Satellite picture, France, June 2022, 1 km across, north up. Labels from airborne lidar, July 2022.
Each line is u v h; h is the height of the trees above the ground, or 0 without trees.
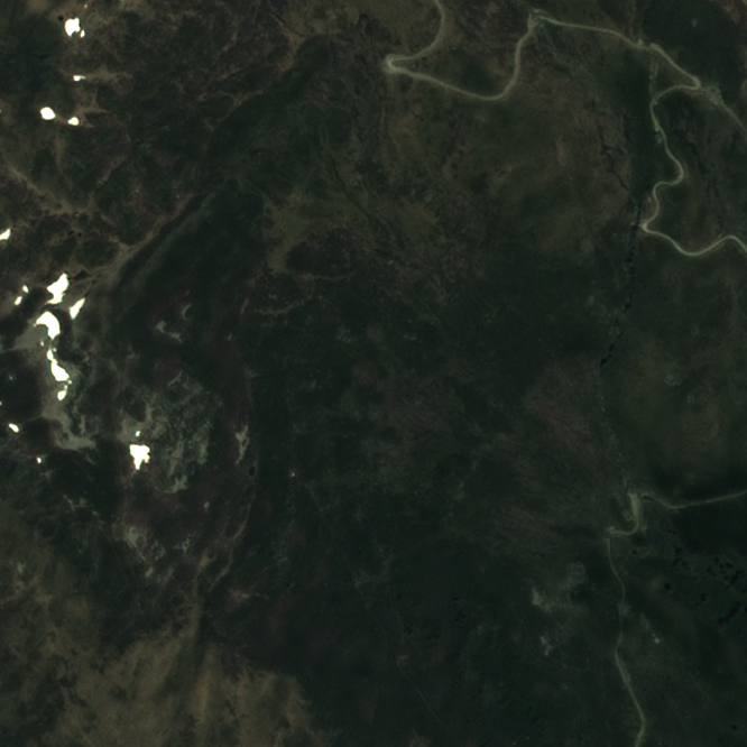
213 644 0
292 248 0
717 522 0
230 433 0
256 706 0
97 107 0
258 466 0
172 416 0
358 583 0
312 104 0
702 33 0
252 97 0
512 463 0
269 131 0
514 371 0
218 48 0
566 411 0
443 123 0
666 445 0
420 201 0
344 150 0
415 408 0
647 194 0
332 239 0
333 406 0
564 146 0
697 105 0
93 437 0
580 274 0
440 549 0
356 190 0
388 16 0
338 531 0
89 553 0
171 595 0
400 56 0
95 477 0
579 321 0
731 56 0
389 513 0
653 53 0
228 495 0
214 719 0
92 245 0
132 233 0
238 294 0
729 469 0
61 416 0
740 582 19
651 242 0
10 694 0
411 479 0
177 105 0
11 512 0
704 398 0
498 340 0
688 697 0
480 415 0
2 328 0
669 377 0
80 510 0
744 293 0
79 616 0
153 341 0
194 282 0
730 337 0
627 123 0
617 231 0
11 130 0
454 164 0
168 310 0
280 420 0
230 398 0
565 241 0
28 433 0
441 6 0
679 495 0
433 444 0
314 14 0
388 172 0
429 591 0
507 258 0
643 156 0
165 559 0
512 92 0
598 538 0
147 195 0
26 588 0
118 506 0
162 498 0
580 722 0
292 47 0
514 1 0
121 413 0
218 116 0
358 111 0
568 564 0
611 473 0
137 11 0
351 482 0
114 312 0
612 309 0
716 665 0
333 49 0
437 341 0
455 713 0
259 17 0
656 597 0
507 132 0
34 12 0
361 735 0
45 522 0
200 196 0
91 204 0
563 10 0
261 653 0
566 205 0
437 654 0
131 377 0
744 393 0
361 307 0
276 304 0
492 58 0
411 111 0
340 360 0
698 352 0
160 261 0
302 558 0
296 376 0
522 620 0
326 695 0
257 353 0
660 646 0
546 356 0
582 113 0
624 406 0
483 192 0
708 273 0
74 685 0
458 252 0
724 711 0
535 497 0
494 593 0
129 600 0
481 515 0
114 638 0
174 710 0
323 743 0
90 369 0
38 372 0
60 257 0
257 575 0
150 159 0
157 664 0
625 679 0
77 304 0
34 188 0
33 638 0
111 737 0
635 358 0
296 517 0
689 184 0
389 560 0
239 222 0
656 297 0
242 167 0
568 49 0
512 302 0
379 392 0
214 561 0
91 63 0
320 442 0
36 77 0
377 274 0
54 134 0
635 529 0
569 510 0
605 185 0
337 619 0
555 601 0
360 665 0
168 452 0
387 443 0
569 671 0
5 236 0
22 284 0
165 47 0
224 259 0
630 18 0
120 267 0
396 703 0
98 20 0
